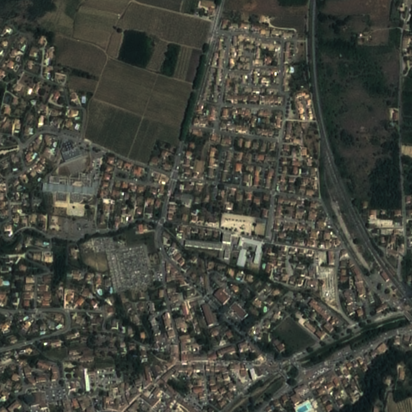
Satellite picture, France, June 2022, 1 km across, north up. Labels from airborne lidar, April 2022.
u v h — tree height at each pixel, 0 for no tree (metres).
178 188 6
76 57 0
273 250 15
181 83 0
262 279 9
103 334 10
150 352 7
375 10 0
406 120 9
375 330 10
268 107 0
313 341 0
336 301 0
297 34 0
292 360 0
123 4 0
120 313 8
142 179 13
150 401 0
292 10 0
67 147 0
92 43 0
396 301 0
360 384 12
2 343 7
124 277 0
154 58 0
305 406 0
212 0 0
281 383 0
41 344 8
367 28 7
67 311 0
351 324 0
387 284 0
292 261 7
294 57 0
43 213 6
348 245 0
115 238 9
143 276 0
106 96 0
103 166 9
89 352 0
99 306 10
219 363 0
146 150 0
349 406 16
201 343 16
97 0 0
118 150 0
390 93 7
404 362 7
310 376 0
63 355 0
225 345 0
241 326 14
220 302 0
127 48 11
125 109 0
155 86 0
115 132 0
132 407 0
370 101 0
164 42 0
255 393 0
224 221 0
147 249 0
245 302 11
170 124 0
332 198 0
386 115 0
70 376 12
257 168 0
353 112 0
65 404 0
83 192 0
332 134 7
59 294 0
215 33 0
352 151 0
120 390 0
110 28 0
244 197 9
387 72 0
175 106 0
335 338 16
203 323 0
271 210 0
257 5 0
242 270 6
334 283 0
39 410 0
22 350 8
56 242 13
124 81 0
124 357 6
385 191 14
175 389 13
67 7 0
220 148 9
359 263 0
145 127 0
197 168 0
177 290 6
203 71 14
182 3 0
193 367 0
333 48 7
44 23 0
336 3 0
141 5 0
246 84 0
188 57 0
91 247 0
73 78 0
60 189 0
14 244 8
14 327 11
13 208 0
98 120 0
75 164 0
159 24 0
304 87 0
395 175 7
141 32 7
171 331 0
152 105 0
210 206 11
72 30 0
